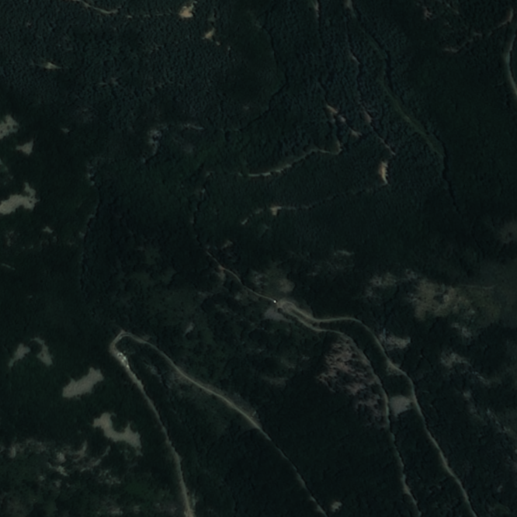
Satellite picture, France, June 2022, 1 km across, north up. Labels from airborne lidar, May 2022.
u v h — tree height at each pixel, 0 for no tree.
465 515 22
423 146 23
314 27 22
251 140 15
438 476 19
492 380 6
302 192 20
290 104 27
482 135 17
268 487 24
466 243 14
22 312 18
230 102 29
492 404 16
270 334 8
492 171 14
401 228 14
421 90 13
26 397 16
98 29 17
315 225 16
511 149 20
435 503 21
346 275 13
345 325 18
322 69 24
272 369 13
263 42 18
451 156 27
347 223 15
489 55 12
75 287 24
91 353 19
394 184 24
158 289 6
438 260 7
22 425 11
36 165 21
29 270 19
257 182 17
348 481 19
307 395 24
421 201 22
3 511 11
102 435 15
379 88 25
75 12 22
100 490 10
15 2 20
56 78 20
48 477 8
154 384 16
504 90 18
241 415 7
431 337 26
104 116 24
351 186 19
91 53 34
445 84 14
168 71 23
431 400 20
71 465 11
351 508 18
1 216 13
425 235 11
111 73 38
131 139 15
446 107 24
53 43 24
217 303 15
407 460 13
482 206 13
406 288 17
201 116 21
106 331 20
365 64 37
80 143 12
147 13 8
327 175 18
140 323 14
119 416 10
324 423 21
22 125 15
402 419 17
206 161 13
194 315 7
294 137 23
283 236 12
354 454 21
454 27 14
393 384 19
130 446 7
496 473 14
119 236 14
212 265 17
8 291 16
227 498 11
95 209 11
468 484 17
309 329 9
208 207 11
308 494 17
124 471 9
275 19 24
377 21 26
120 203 22
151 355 15
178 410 10
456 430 17
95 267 8
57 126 26
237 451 15
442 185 22
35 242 13
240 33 22
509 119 22
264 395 12
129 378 16
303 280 17
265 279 7
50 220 21
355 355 7
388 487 18
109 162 15
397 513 21
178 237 20
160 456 13
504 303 0
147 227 15
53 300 14
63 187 18
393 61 22
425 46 23
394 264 11
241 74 12
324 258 10
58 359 16
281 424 21
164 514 6
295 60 27
